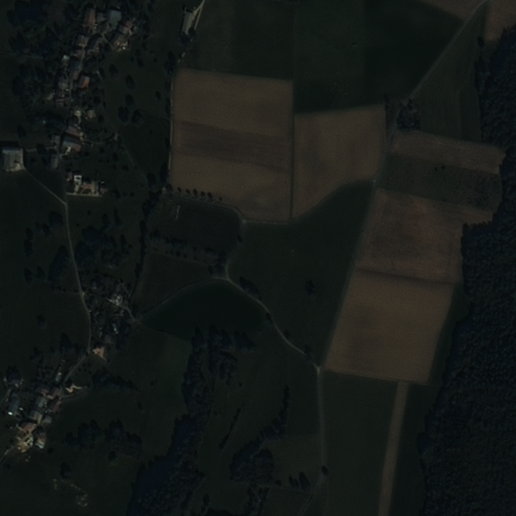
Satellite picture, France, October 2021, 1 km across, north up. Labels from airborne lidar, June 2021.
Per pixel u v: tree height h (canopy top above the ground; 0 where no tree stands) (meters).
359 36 0
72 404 0
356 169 0
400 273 0
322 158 0
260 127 0
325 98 0
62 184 0
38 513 0
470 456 14
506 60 19
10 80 0
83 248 0
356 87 0
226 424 0
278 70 0
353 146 0
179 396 0
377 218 0
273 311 0
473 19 0
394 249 0
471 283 16
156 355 0
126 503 0
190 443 19
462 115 0
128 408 0
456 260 0
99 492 0
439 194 0
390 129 0
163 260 0
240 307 0
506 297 12
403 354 0
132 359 0
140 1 0
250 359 0
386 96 0
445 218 0
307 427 0
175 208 0
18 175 0
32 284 11
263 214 0
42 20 20
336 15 0
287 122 0
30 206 0
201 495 0
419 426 0
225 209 0
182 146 0
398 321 0
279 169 0
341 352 0
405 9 0
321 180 0
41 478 0
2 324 0
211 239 0
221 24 0
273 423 0
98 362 0
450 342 0
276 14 0
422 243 0
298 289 0
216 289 0
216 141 0
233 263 0
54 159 0
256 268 0
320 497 0
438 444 18
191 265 0
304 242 0
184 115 0
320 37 0
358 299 0
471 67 0
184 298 0
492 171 0
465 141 0
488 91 11
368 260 0
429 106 0
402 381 0
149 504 21
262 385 0
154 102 0
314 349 0
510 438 8
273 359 0
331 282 0
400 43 0
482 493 8
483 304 14
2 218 0
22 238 0
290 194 0
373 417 0
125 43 0
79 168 0
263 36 0
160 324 0
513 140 16
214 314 0
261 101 0
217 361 13
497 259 16
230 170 0
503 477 13
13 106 0
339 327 0
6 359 0
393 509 0
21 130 0
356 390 0
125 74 0
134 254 0
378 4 0
